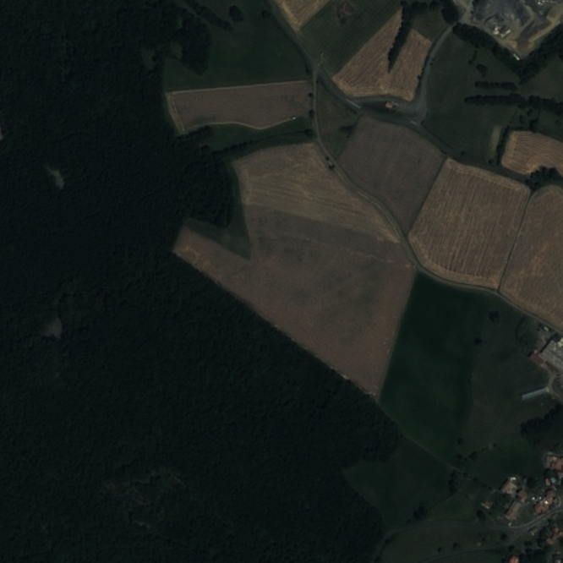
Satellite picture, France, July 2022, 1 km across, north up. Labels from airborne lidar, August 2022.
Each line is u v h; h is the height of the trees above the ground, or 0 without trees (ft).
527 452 0
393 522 0
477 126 0
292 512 54
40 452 57
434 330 0
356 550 72
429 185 0
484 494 0
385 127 0
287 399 55
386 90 0
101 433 58
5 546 47
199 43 64
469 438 0
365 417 57
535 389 0
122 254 69
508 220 0
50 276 52
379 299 0
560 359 0
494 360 0
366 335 0
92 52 27
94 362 65
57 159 37
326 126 0
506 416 0
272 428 56
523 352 0
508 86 43
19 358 48
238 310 53
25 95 72
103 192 50
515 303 0
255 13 0
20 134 65
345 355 0
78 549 44
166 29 54
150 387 68
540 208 0
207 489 55
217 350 49
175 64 0
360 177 0
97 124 39
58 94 73
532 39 0
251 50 0
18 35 64
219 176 71
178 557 57
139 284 69
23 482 49
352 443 58
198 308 64
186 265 42
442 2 54
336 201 0
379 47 0
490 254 0
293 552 51
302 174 0
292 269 0
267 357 35
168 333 81
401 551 0
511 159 0
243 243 0
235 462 65
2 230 51
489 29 0
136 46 66
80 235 59
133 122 31
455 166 0
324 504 65
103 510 48
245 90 0
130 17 65
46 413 30
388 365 0
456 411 0
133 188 44
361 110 0
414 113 0
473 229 0
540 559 65
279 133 0
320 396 23
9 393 36
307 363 27
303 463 66
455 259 0
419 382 0
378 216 0
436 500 0
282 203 0
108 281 36
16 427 61
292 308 0
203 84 0
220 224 46
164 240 52
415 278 0
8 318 54
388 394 0
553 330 0
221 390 48
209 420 46
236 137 0
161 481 43
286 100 0
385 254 0
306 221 0
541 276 0
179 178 29
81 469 49
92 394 55
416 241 0
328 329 0
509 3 0
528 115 36
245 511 65
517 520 0
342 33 0
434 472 0
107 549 48
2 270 52
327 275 0
